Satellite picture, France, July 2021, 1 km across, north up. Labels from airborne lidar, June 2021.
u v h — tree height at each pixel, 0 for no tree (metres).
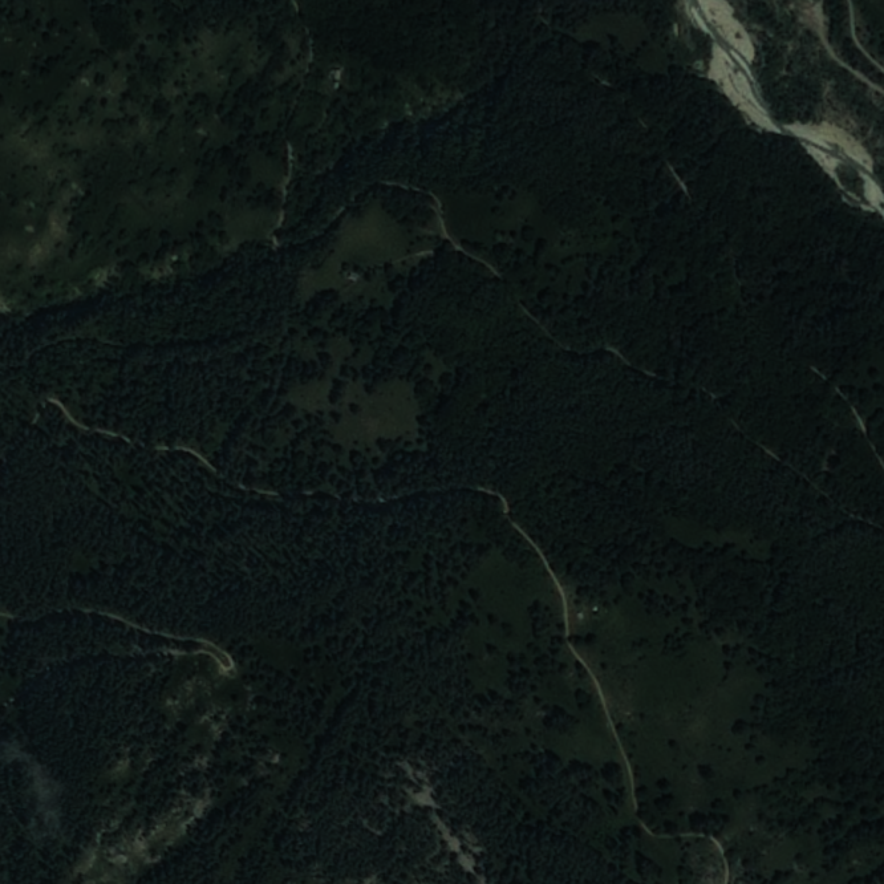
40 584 26
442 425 24
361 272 9
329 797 24
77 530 28
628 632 0
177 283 7
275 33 21
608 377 27
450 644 28
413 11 21
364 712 21
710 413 27
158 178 9
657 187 16
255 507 35
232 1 21
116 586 30
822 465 26
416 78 11
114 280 17
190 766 6
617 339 21
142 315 28
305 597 26
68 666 19
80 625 29
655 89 28
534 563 13
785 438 14
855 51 9
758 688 0
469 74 11
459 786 22
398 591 13
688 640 11
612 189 18
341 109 10
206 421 23
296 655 0
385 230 0
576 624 0
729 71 0
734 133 26
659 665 0
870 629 22
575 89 18
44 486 30
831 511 21
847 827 14
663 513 13
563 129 29
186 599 29
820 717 12
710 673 0
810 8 0
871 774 28
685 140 24
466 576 16
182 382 31
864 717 20
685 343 16
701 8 0
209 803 0
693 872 7
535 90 25
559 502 27
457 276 20
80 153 14
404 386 0
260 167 0
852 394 14
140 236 6
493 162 17
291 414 29
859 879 13
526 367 28
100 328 7
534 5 27
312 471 8
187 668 0
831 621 24
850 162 0
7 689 0
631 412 25
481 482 21
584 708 16
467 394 27
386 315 17
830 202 26
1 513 29
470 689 27
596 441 25
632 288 19
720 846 0
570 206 18
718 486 28
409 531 20
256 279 22
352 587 26
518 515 14
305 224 17
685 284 12
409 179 7
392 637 20
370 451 9
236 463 33
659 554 14
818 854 0
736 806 0
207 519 29
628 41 0
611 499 21
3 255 0
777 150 28
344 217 7
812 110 10
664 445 30
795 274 16
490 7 26
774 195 24
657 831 13
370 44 22
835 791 12
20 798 7
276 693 13
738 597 20
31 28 7
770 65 8
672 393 21
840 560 26
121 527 33
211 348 30
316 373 20
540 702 18
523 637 0
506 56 20
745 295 14
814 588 16
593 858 27
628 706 0
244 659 14
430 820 16
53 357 13
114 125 11
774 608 13
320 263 13
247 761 13
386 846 19
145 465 26
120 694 22
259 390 10
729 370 26
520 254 16
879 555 18
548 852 28
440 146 17
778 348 23
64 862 16
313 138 17
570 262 9
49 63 12
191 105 11
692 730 0
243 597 26
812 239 23
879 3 0
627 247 21
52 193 8
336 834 15
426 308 22
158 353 31
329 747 24
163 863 6
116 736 21
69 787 24
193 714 0
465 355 21
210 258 18
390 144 18
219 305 13
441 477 19
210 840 20
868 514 17
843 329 28
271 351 9
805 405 22
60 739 21
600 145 28
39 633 24
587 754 0
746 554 12
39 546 30
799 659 16
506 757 11
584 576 20
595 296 17
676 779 0
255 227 0
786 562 16
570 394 29
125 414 15
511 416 24
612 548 14
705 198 19
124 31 21
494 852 20
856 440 14
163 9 16
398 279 11
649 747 0
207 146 7
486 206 0
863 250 26
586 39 0
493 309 27
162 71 17
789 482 21
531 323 11
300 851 13
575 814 29
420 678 13
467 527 22
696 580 11
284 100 11
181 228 0
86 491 31
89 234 10
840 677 28
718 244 27
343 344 0
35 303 10
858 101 8
